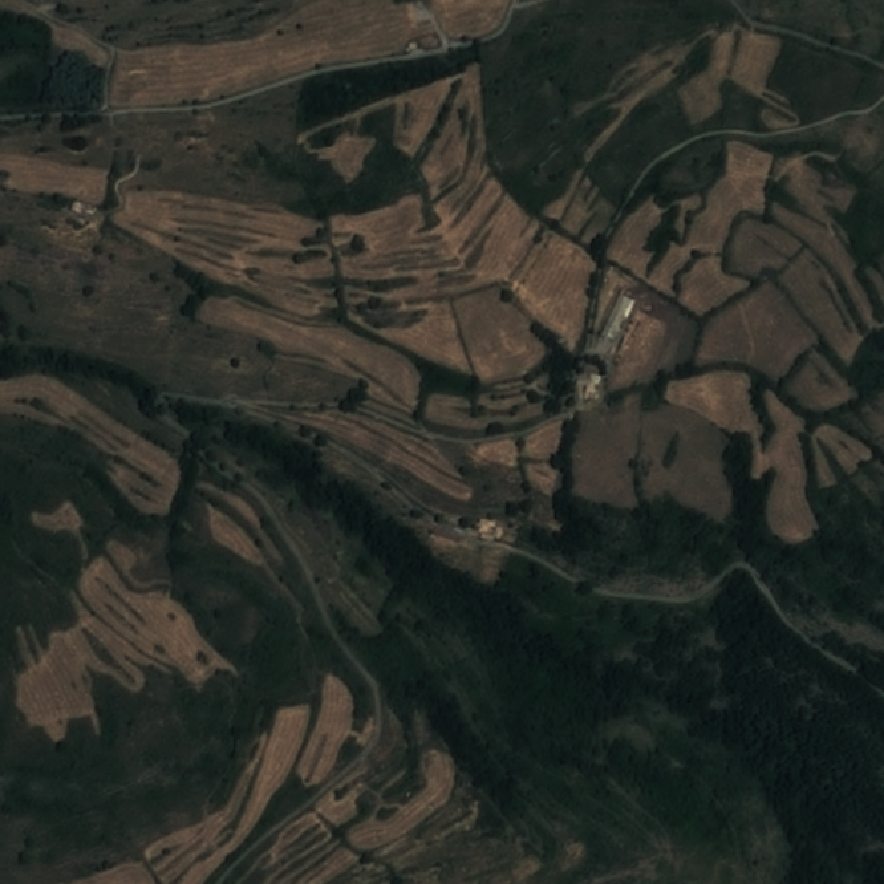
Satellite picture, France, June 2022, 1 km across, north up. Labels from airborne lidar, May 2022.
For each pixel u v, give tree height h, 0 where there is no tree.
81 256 0
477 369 0
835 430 0
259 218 0
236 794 0
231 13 7
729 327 0
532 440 0
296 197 0
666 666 5
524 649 17
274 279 0
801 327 0
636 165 0
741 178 0
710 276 0
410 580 11
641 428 0
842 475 0
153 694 0
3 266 0
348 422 0
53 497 0
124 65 0
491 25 0
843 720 11
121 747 0
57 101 16
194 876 0
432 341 0
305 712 0
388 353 0
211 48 0
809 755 18
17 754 0
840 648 7
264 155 6
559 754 13
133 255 0
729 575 9
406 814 0
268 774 0
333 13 0
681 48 0
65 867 0
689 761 7
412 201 0
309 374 0
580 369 9
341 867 0
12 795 0
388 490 10
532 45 0
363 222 0
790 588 7
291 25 0
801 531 0
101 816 0
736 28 0
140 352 0
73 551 0
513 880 0
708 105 0
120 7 0
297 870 0
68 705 0
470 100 0
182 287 0
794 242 0
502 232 0
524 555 0
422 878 0
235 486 7
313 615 0
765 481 6
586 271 0
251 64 0
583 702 8
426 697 7
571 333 0
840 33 0
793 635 11
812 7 0
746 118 0
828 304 0
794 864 9
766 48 0
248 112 0
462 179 0
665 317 0
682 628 6
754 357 0
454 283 0
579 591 14
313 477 16
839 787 13
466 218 0
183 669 0
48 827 0
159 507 0
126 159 0
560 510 13
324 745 0
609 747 6
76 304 0
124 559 0
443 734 8
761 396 11
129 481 0
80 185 0
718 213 0
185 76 0
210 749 0
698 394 0
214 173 0
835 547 11
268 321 0
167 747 0
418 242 0
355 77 6
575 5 0
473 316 0
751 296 0
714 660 9
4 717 0
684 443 0
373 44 0
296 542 0
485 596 24
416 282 0
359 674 0
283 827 0
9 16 8
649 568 7
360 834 0
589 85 0
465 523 16
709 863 0
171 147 0
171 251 0
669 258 0
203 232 0
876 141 0
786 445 0
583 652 7
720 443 0
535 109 0
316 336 0
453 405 0
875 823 11
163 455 0
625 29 0
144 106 0
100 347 0
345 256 0
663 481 0
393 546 26
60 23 0
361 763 0
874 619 8
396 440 0
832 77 0
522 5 0
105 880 0
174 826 0
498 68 0
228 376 0
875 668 12
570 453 16
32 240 0
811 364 0
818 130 0
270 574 0
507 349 0
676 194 6
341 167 0
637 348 0
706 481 0
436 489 0
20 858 11
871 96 0
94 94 16
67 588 0
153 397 24
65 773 0
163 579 0
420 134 0
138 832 0
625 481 0
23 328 9
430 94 0
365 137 0
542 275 0
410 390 0
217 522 0
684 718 9
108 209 9
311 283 0
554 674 10
